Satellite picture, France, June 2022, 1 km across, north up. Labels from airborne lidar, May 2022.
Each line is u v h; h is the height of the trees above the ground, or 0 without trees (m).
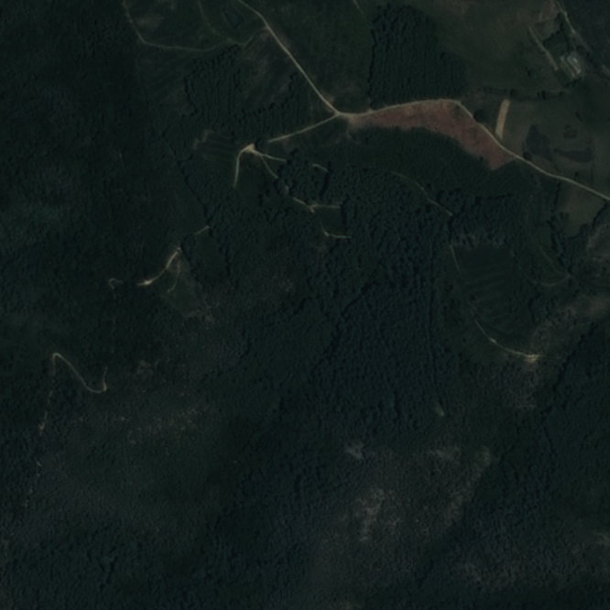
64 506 17
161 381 10
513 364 8
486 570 13
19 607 19
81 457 12
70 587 35
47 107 9
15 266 12
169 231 15
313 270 30
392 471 12
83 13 16
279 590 19
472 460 11
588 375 18
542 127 0
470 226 24
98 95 17
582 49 8
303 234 29
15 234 14
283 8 0
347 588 16
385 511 7
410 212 36
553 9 0
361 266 25
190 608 33
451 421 18
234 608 28
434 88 18
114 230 10
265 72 0
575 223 0
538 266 9
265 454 25
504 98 0
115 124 15
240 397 34
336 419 15
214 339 17
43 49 23
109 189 13
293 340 36
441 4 0
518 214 24
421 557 15
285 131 11
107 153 10
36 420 7
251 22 0
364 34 0
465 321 12
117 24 11
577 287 9
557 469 14
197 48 0
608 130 0
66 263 12
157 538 15
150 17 0
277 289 11
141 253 13
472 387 13
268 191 13
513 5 0
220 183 30
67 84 15
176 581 45
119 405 11
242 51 20
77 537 21
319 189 29
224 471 21
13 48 20
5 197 10
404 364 38
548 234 0
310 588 14
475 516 15
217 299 11
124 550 34
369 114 0
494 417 16
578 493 7
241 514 26
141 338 12
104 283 11
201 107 18
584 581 9
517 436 28
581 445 9
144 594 31
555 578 17
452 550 14
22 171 9
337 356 36
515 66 0
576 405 13
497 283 0
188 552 17
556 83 0
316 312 36
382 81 14
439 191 6
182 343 13
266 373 28
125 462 13
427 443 27
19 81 19
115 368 6
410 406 36
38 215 12
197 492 17
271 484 20
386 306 32
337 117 0
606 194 0
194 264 20
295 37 0
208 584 20
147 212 12
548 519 8
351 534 8
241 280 24
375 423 27
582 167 0
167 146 14
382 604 27
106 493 13
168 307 23
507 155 0
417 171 6
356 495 11
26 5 20
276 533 14
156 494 14
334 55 0
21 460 12
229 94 16
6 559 10
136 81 14
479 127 0
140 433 9
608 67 0
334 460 17
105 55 15
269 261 14
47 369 8
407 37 18
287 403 26
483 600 32
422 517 14
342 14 0
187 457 11
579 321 14
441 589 32
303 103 19
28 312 7
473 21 0
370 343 36
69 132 9
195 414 8
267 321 25
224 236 31
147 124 12
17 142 10
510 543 9
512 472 18
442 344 34
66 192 7
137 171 16
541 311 21
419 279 28
